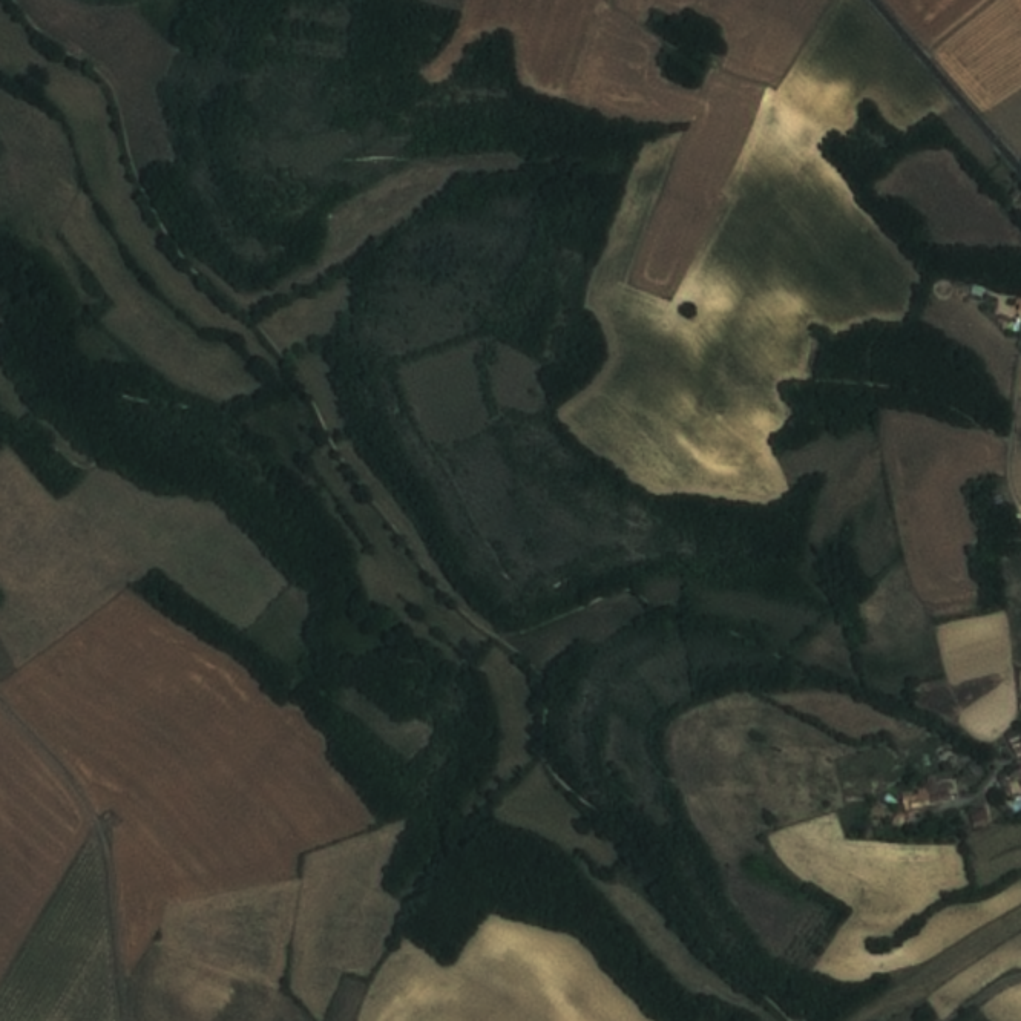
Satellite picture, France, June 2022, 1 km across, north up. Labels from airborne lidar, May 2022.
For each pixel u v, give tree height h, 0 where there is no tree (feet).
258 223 34
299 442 0
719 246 0
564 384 51
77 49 0
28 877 0
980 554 56
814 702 0
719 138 0
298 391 38
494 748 65
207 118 34
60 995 0
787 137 0
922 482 0
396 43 42
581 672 17
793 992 39
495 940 0
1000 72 0
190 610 45
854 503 0
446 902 54
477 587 34
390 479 19
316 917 0
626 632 23
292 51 20
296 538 36
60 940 0
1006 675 0
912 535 0
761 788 0
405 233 20
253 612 0
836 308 0
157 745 0
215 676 0
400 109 33
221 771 0
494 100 23
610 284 0
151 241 0
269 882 0
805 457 0
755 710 0
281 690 36
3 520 0
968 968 0
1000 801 54
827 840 0
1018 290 39
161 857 0
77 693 0
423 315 0
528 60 0
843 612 48
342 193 36
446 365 0
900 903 0
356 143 0
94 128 0
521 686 0
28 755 0
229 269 31
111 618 0
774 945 0
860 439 0
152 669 0
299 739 0
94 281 22
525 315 26
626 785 38
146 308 0
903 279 0
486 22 0
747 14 0
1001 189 42
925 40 0
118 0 21
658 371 0
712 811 0
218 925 0
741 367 0
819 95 0
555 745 42
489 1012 0
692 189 0
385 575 0
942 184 0
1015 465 0
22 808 0
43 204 0
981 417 37
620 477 42
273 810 0
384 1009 0
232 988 0
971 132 0
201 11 46
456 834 29
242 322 38
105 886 0
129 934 0
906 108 0
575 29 0
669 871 51
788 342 0
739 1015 58
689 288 0
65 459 21
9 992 0
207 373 0
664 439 0
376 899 0
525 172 54
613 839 79
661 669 0
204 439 33
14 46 0
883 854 0
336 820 0
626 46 0
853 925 0
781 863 0
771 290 0
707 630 41
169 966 0
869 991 40
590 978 0
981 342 0
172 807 0
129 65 0
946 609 0
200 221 31
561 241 33
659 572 59
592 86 0
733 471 0
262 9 34
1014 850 0
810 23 0
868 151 27
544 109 27
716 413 0
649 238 0
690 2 0
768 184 0
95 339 0
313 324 0
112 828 0
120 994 0
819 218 0
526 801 0
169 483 50
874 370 25
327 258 0
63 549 0
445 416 0
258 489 30
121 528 0
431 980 0
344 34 21
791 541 60
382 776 23
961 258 55
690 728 0
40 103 61
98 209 25
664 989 38
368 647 0
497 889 35
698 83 43
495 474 0
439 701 30
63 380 49
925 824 32
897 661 0
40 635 0
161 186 57
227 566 0
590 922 46
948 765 31
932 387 36
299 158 0
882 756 0
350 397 40
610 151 50
